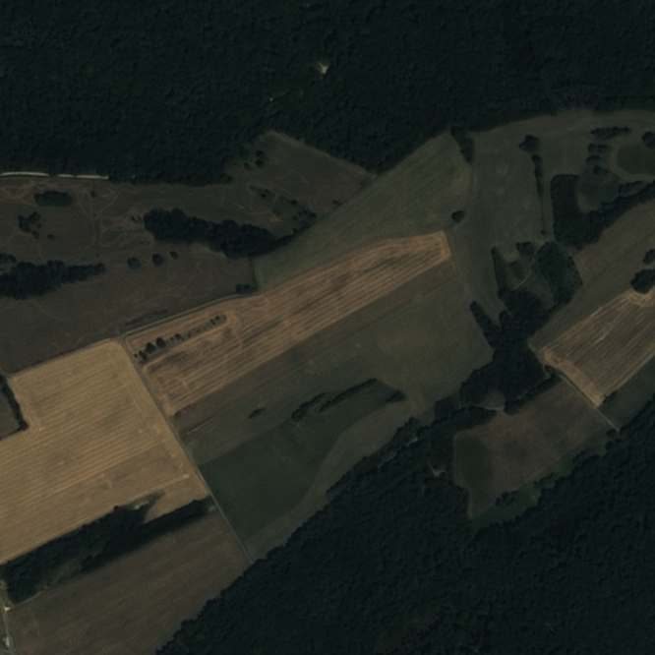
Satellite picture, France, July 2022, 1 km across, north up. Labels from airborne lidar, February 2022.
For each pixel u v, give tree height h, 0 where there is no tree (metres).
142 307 0
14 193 0
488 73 24
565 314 0
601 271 0
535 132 0
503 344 14
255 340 0
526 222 0
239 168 0
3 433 0
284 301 0
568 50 11
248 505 0
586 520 19
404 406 0
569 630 22
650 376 0
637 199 12
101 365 0
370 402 0
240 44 22
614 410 0
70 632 0
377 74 25
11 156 8
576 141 0
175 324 0
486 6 17
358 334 0
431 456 15
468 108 26
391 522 13
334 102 21
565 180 7
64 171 15
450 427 17
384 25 22
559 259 7
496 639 27
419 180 0
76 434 0
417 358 0
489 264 0
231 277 0
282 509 0
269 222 0
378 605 14
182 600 0
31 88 13
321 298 0
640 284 15
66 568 0
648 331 0
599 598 21
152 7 19
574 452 0
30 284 24
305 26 18
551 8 19
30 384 0
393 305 0
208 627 14
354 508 17
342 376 0
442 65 21
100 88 15
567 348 0
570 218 7
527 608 21
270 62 18
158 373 0
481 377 12
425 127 9
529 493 0
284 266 0
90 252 0
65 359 0
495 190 0
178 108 17
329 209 0
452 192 0
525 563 24
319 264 0
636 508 25
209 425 0
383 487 14
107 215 0
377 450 0
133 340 0
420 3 21
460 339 0
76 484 0
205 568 0
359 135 19
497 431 0
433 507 13
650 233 0
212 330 0
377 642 19
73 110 18
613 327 0
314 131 11
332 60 13
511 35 22
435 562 21
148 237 0
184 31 21
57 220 0
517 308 11
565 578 27
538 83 21
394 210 0
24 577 15
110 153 16
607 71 20
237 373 0
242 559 0
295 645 18
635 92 8
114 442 0
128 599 0
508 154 0
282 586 23
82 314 0
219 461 0
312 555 24
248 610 20
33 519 0
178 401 0
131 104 17
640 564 21
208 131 17
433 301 0
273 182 0
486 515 0
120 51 19
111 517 12
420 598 12
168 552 0
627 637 16
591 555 21
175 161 20
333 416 0
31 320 0
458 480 0
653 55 13
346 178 0
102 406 0
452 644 32
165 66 20
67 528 0
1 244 0
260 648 20
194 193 0
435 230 0
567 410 0
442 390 0
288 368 0
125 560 0
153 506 0
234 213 0
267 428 0
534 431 0
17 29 17
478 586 18
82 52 18
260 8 21
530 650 20
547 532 6
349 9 21
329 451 0
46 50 14
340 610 13
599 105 15
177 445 0
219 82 20
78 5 19
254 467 0
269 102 12
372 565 17
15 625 0
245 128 12
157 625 0
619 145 0
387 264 0
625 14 14
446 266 0
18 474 0
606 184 0
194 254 0
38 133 13
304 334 0
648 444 16
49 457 0
